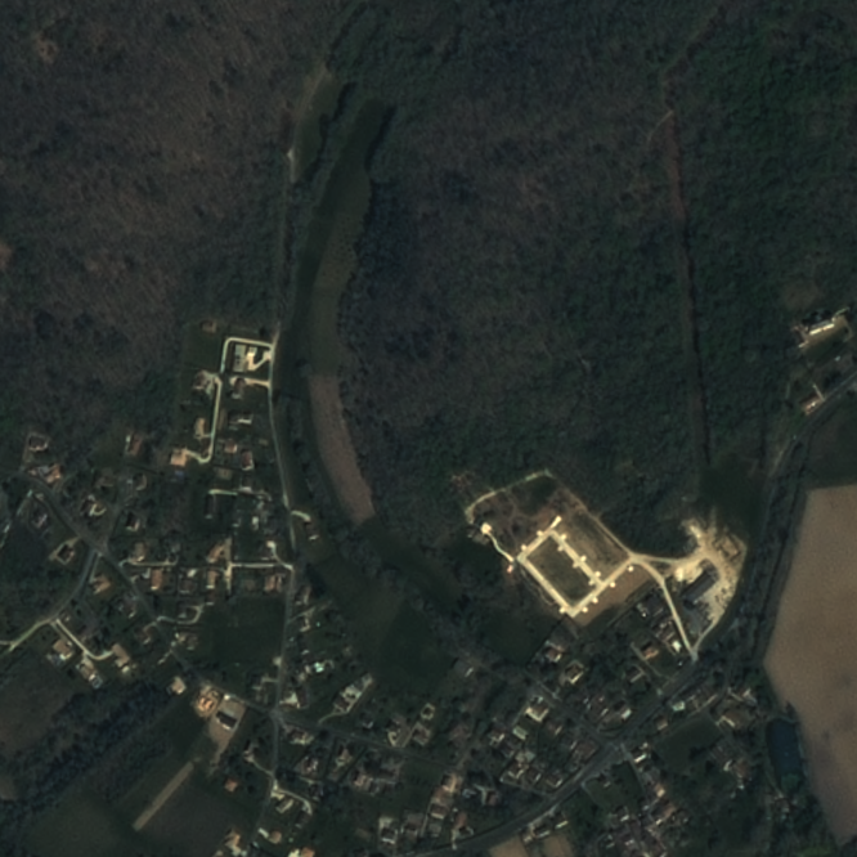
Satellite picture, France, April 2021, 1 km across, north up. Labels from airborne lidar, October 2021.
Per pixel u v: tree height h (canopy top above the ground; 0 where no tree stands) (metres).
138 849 0
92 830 0
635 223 19
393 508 15
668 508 19
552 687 10
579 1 13
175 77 17
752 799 20
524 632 0
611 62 20
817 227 16
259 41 25
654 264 20
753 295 29
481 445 24
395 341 17
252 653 0
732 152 17
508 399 22
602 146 18
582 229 16
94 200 19
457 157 18
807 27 12
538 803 11
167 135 22
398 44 25
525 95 16
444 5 12
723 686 9
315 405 0
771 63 22
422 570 0
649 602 0
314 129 0
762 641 0
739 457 7
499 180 22
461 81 20
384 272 16
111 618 9
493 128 20
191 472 0
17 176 20
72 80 16
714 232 21
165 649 0
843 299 17
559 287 22
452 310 18
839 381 15
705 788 0
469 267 17
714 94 16
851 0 17
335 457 0
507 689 12
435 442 17
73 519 10
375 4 11
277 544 0
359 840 0
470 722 14
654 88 23
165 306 19
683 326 23
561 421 15
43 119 12
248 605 0
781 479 8
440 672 0
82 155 15
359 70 21
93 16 18
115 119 15
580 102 18
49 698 0
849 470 0
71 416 20
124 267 20
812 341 0
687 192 18
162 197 25
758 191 19
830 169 21
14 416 17
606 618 0
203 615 0
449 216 19
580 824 6
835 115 24
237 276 19
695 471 14
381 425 6
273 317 21
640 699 12
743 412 23
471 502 23
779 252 27
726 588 0
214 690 0
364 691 0
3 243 23
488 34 10
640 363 24
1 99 15
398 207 16
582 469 22
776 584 0
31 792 15
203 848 0
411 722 6
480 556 0
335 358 0
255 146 25
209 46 25
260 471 18
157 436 16
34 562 19
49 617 19
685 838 6
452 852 0
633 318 19
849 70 24
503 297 21
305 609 6
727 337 24
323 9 23
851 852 8
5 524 0
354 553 13
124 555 6
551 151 18
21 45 17
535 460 23
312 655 0
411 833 0
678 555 7
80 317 20
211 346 0
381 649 0
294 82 23
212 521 0
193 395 6
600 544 0
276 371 0
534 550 0
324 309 0
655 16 20
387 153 21
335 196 0
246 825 0
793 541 23
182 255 23
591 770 0
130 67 16
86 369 23
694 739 0
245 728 0
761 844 27
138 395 20
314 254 0
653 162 20
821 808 25
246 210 18
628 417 19
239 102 25
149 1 24
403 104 27
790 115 27
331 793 12
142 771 10
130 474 0
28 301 19
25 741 0
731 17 21
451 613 0
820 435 0
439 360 14
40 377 17
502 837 0
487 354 22
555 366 14
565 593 0
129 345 23
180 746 0
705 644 0
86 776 24
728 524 0
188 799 0
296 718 0
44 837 0
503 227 15
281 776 8
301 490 0
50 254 20
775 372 18
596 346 28
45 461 18
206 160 21
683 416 22
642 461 21
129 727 16
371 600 0
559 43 16
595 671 16
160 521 16
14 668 6
